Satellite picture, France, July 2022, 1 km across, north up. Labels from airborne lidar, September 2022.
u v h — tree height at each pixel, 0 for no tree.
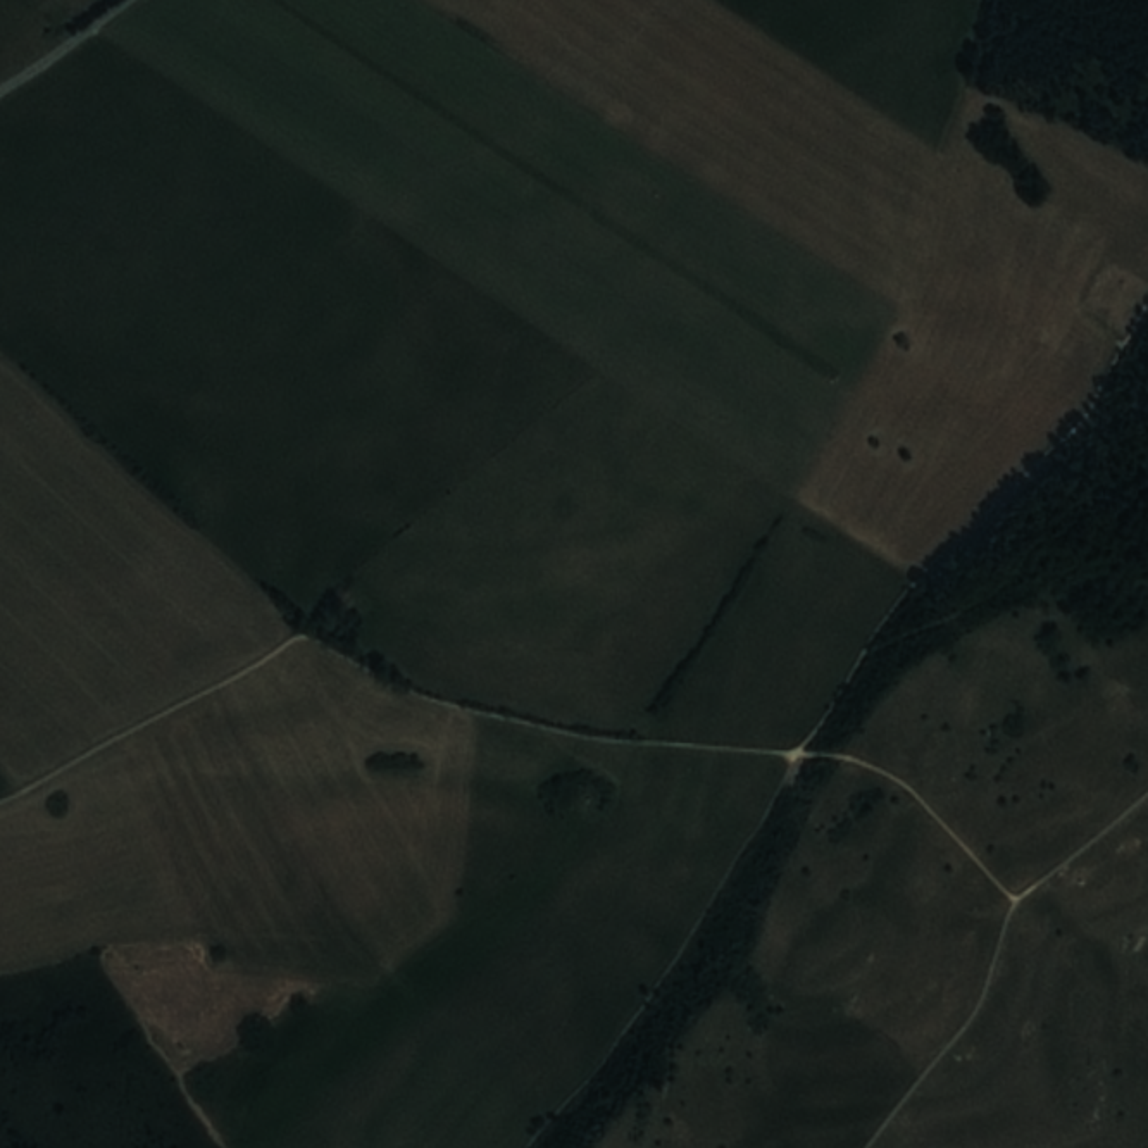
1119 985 0
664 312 0
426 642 0
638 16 0
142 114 0
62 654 0
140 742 0
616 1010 0
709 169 0
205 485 0
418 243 0
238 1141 0
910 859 0
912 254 0
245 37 0
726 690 0
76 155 0
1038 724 0
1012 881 0
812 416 0
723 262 0
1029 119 0
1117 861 0
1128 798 0
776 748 0
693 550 0
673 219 0
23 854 0
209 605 0
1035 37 18
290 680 0
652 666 0
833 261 0
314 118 0
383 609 0
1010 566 7
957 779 0
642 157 0
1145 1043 0
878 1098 0
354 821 0
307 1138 0
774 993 0
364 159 0
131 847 0
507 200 0
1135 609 8
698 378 0
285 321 0
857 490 0
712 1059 0
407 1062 0
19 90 0
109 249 0
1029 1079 0
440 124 0
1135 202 0
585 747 0
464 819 0
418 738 0
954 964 0
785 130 0
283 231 0
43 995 0
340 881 0
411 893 0
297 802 0
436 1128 0
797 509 0
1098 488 15
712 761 0
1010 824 0
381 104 0
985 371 0
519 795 0
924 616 6
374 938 0
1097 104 8
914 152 0
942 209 0
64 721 0
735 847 0
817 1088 0
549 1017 0
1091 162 0
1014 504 23
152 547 0
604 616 0
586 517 0
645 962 0
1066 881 0
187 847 0
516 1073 0
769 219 0
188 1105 0
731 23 0
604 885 0
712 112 0
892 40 0
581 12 0
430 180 0
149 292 0
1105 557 8
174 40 0
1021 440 0
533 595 0
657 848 0
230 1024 0
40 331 0
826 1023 0
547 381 0
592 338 0
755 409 0
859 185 0
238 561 0
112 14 0
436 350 0
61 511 0
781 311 0
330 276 0
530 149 0
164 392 0
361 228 0
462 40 0
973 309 0
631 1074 9
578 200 0
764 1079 0
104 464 0
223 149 0
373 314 0
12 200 0
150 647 0
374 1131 0
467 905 0
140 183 0
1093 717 0
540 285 0
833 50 0
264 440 0
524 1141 0
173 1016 0
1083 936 0
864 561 0
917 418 0
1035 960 0
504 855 0
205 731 0
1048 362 0
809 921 0
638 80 0
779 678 0
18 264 0
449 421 0
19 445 0
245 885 0
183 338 0
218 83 0
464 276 0
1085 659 0
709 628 6
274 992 0
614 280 0
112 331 0
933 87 0
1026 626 0
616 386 0
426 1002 0
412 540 0
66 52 0
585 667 0
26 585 0
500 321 0
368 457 0
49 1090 0
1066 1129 0
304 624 19
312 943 0
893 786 0
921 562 0
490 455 0
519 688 0
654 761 0
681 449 0
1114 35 10
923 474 0
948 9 0
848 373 0
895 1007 0
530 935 0
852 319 0
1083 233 0
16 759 0
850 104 0
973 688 0
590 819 0
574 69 0
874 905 0
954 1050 0
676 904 0
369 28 0
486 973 0
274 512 0
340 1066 0
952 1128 0
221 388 0
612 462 0
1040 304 0
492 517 0
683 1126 0
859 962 0
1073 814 0
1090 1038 0
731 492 0
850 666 0
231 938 0
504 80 0
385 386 0
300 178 0
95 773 0
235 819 0
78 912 0
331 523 0
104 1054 0
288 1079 0
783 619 0
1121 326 0
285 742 0
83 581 0
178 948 0
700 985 8
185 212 0
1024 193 14
